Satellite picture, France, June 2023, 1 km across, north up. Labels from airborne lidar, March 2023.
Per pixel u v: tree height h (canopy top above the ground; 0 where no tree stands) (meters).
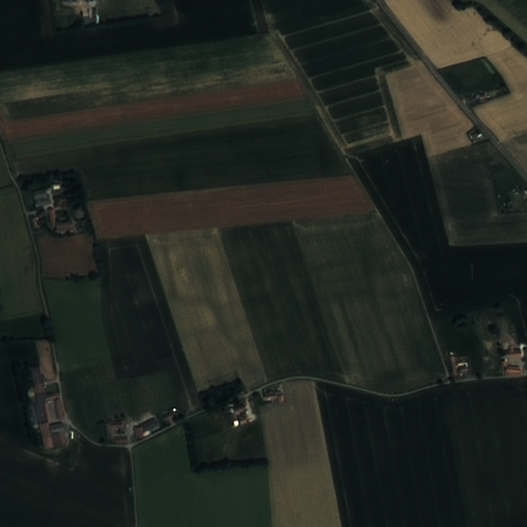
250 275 0
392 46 0
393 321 0
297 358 0
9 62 0
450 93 0
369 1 0
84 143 0
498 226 0
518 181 0
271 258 0
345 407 0
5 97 0
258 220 0
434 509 0
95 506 0
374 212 0
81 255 0
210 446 0
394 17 0
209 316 0
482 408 0
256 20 0
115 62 0
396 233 0
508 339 0
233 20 0
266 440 0
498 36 0
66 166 0
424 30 0
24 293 0
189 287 0
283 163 0
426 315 0
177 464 0
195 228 0
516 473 0
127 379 0
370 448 0
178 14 0
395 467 0
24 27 0
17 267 0
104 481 0
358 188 0
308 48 0
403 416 0
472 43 0
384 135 0
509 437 0
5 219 0
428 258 0
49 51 0
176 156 0
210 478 0
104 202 0
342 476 0
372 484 0
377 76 0
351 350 0
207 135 0
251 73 0
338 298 0
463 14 0
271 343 0
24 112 0
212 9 0
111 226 0
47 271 0
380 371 0
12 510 0
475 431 0
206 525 0
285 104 0
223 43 0
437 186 0
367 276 0
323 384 0
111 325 0
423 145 0
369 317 0
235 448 0
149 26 0
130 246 0
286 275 0
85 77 0
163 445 0
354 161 0
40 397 0
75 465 0
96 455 0
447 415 0
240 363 0
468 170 0
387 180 0
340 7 0
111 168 0
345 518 0
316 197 0
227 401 10
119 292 0
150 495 0
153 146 0
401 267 0
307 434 0
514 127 0
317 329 0
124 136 0
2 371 0
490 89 0
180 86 0
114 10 0
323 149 0
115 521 0
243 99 0
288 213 0
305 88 0
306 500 0
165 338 0
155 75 0
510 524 0
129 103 0
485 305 0
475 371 0
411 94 0
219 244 0
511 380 0
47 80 0
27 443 0
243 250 0
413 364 0
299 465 0
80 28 11
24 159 0
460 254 0
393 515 0
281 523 0
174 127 0
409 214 0
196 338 0
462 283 0
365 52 0
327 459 0
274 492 0
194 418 0
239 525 0
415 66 0
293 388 0
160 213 0
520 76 0
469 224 0
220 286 0
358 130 0
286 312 0
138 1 0
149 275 0
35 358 0
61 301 0
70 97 0
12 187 0
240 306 0
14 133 0
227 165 0
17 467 0
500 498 0
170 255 0
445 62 0
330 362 0
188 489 0
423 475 0
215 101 0
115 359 0
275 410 0
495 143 0
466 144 0
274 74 0
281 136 0
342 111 0
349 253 0
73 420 0
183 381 0
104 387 0
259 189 0
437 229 0
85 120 0
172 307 0
